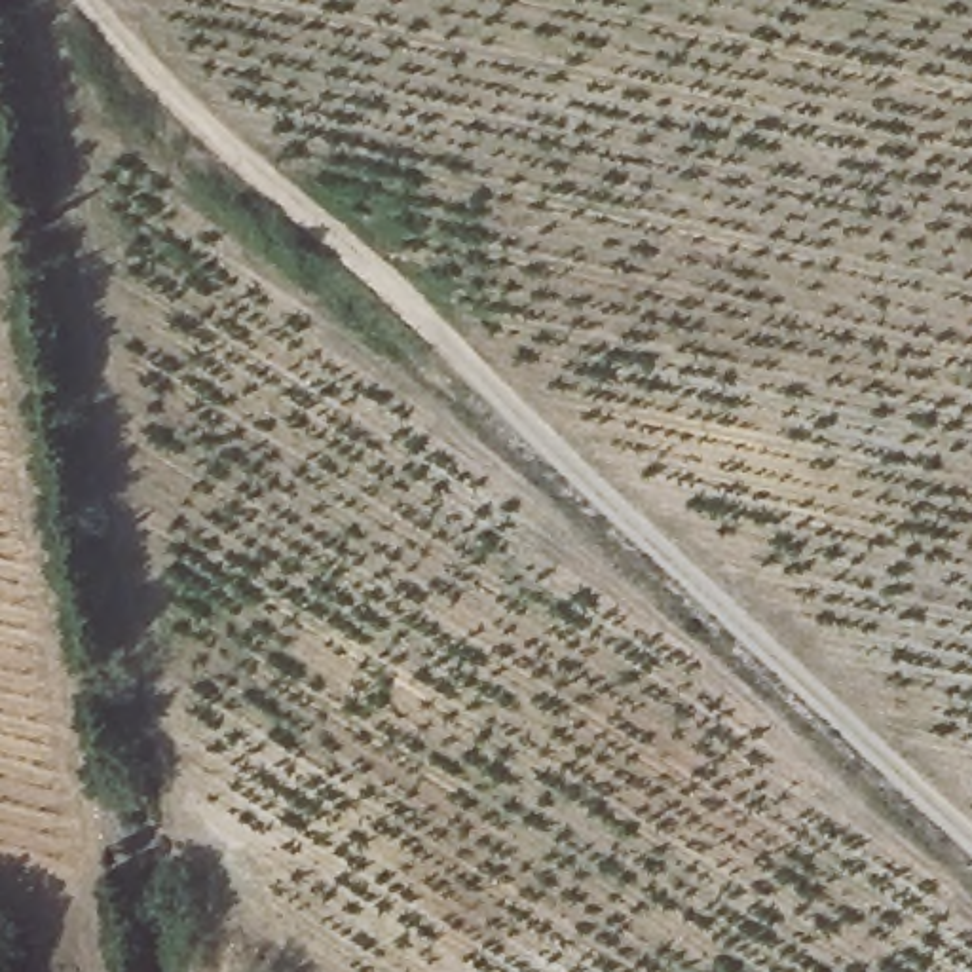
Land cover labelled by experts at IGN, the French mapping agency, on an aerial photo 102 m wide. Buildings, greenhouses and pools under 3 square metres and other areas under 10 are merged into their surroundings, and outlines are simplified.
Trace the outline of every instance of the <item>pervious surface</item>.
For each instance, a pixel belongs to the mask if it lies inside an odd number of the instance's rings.
[[[247,186],[277,201],[296,224],[319,228],[323,243],[338,251],[342,266],[349,266],[368,289],[376,289],[380,300],[387,300],[437,353],[490,402],[490,410],[524,440],[528,452],[547,459],[577,497],[585,497],[600,516],[608,516],[623,539],[645,551],[683,589],[699,619],[714,615],[718,626],[725,626],[737,638],[737,657],[759,657],[763,668],[771,668],[786,683],[786,691],[801,695],[816,718],[839,729],[843,740],[885,775],[885,786],[900,790],[964,854],[972,854],[972,816],[961,813],[938,786],[930,786],[904,756],[896,756],[885,737],[877,737],[847,702],[839,702],[828,691],[828,683],[820,683],[763,623],[756,623],[718,581],[710,581],[626,497],[619,497],[608,486],[608,478],[600,478],[577,448],[570,448],[551,429],[551,421],[543,421],[467,346],[467,338],[459,338],[433,311],[433,304],[406,277],[383,266],[383,258],[368,243],[361,243],[334,213],[315,205],[270,159],[251,152],[232,129],[224,129],[148,53],[137,30],[118,19],[118,11],[106,0],[72,0],[84,15],[103,30],[114,53],[140,76],[140,84],[159,103],[175,118],[182,118],[186,129],[216,152],[216,159],[232,167]]]

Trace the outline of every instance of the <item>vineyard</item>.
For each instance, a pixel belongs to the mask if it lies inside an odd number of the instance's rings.
[[[80,786],[84,748],[72,729],[76,706],[91,710],[95,748],[106,748],[125,763],[129,786],[137,794],[163,797],[159,832],[171,839],[205,843],[220,851],[220,862],[235,888],[235,904],[224,919],[220,964],[190,972],[972,972],[972,854],[964,854],[900,790],[885,786],[885,775],[843,740],[839,729],[816,718],[801,695],[786,691],[786,683],[771,668],[763,668],[759,657],[737,657],[737,638],[725,626],[718,626],[714,615],[699,619],[683,589],[645,551],[623,539],[608,516],[600,516],[585,497],[577,497],[547,459],[528,452],[524,440],[490,410],[490,402],[437,353],[425,368],[418,368],[406,357],[395,365],[372,353],[349,327],[330,319],[327,308],[319,308],[311,292],[292,289],[262,254],[243,251],[228,224],[197,213],[190,205],[186,178],[216,159],[216,152],[186,129],[182,118],[175,118],[159,103],[148,118],[137,122],[137,129],[118,133],[95,84],[72,87],[68,65],[57,53],[53,19],[76,23],[84,15],[72,0],[0,0],[0,300],[27,281],[30,327],[38,342],[38,376],[49,383],[49,391],[42,395],[42,433],[57,463],[61,532],[68,539],[68,585],[76,596],[76,611],[84,619],[87,649],[87,657],[72,672],[61,657],[57,592],[46,585],[46,551],[34,528],[38,486],[27,471],[30,433],[19,414],[27,380],[19,372],[11,327],[0,323],[0,851],[65,881],[68,911],[61,942],[49,957],[49,972],[106,972],[99,949],[95,885],[103,877],[103,847],[122,843],[125,835],[122,820],[99,801],[91,801]]]
[[[383,258],[383,266],[406,277],[433,304],[433,311],[459,338],[467,338],[467,346],[543,421],[551,421],[551,429],[570,448],[577,448],[600,478],[608,478],[608,486],[619,497],[626,497],[710,581],[718,581],[756,623],[763,623],[820,683],[828,683],[828,691],[839,702],[847,702],[877,737],[885,737],[896,756],[904,756],[930,786],[938,786],[961,813],[972,816],[972,0],[106,0],[118,11],[118,19],[137,30],[148,53],[224,129],[232,129],[251,152],[270,159],[315,205],[334,213],[361,243],[368,243]]]

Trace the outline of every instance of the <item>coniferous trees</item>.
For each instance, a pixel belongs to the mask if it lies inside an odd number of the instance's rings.
[[[95,748],[91,710],[76,706],[72,729],[84,748],[80,786],[91,801],[99,801],[122,820],[125,835],[122,843],[103,847],[103,877],[95,885],[99,949],[106,972],[190,972],[220,964],[224,919],[235,904],[235,888],[220,862],[220,851],[205,843],[171,839],[159,832],[163,797],[137,794],[129,786],[125,763],[106,748]]]
[[[49,972],[49,957],[61,942],[68,911],[65,881],[0,851],[0,972]]]

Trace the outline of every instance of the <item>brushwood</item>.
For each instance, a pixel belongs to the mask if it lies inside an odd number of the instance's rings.
[[[19,372],[27,380],[19,414],[30,433],[27,471],[38,486],[34,528],[46,551],[46,585],[57,592],[61,657],[72,672],[87,657],[87,649],[84,619],[76,611],[76,596],[68,585],[68,539],[61,532],[57,463],[42,433],[42,395],[49,391],[49,383],[38,376],[38,342],[30,327],[27,281],[0,300],[0,323],[11,327]]]
[[[376,289],[368,289],[349,266],[342,266],[338,251],[323,243],[319,228],[296,224],[277,201],[247,186],[232,167],[216,159],[186,178],[190,205],[197,213],[228,224],[243,251],[262,254],[292,289],[311,292],[319,308],[327,308],[330,319],[349,327],[372,353],[395,365],[406,357],[418,368],[425,368],[437,353],[387,300],[380,300]]]
[[[53,19],[57,53],[68,65],[72,87],[95,84],[118,133],[137,129],[137,122],[148,118],[159,103],[140,84],[140,76],[114,53],[103,30],[84,15],[76,23]]]

